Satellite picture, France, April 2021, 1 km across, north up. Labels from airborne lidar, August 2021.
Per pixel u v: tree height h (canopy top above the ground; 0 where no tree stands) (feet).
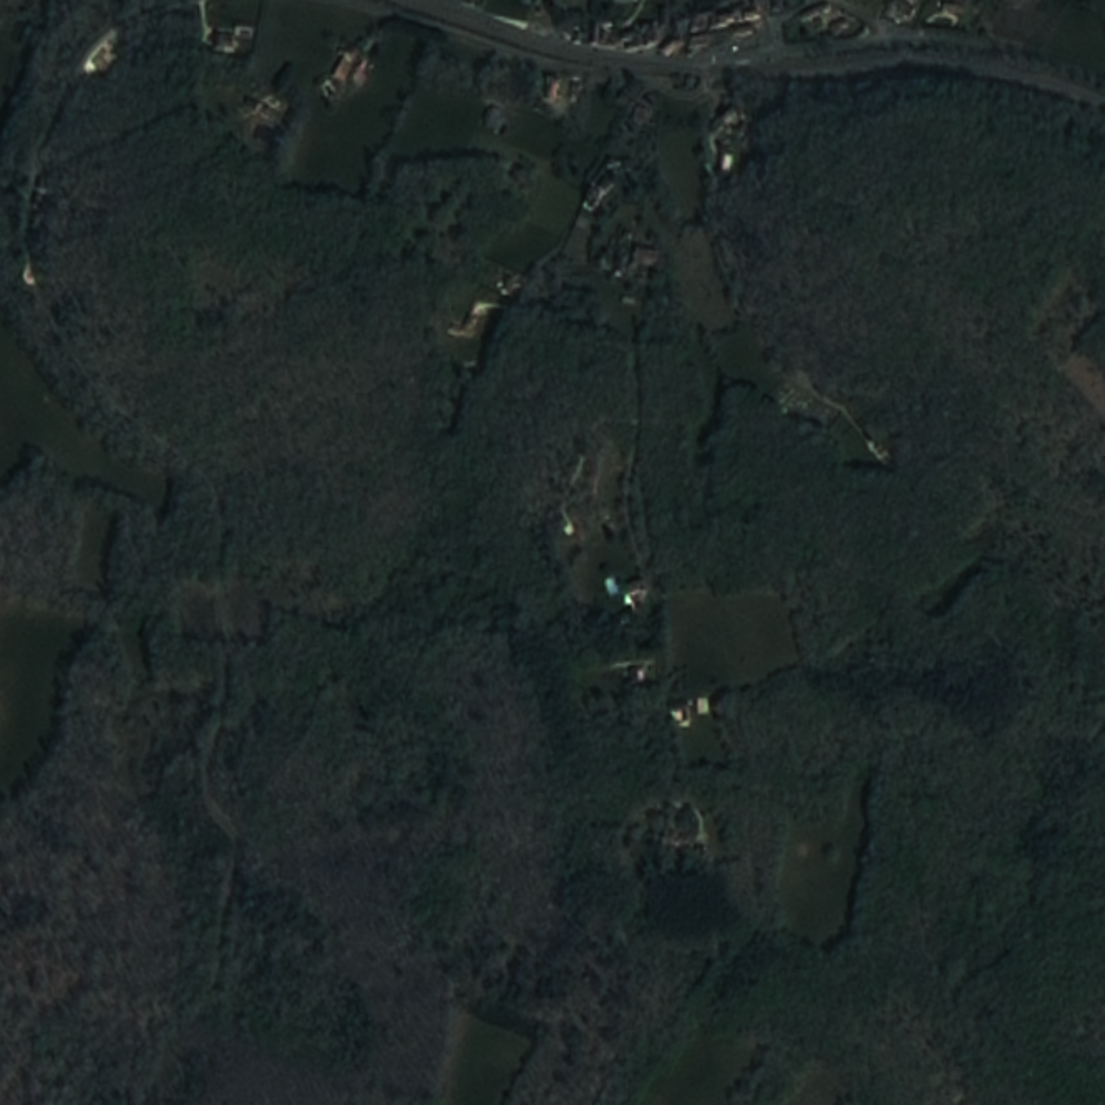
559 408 41
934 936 29
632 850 43
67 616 56
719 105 0
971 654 55
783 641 0
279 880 58
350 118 0
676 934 61
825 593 52
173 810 24
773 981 59
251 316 25
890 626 53
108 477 0
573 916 83
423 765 59
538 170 46
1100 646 38
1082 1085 55
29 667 0
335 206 79
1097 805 54
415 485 68
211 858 36
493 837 52
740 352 0
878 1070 37
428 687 77
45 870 40
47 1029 61
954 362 47
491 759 62
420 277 45
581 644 64
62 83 41
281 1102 53
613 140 18
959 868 62
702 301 0
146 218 46
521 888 50
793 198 29
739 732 43
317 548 48
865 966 63
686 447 59
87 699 76
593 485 33
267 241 57
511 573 63
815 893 0
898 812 54
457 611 40
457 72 57
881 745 69
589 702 56
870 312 50
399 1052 46
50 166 33
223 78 62
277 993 53
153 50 42
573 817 58
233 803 37
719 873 45
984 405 51
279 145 67
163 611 86
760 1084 41
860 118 54
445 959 59
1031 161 54
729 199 60
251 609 0
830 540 45
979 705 76
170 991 58
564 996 38
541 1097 25
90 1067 69
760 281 41
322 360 30
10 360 0
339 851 32
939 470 68
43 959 58
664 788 70
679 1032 66
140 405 53
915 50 31
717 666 0
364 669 60
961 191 53
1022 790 69
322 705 60
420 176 70
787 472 45
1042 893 82
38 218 35
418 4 0
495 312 0
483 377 55
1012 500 23
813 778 54
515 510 48
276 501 51
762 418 47
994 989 66
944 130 56
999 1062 53
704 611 0
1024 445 23
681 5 27
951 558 57
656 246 34
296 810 61
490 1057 0
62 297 28
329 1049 51
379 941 43
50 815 61
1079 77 48
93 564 0
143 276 49
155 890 55
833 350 38
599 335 51
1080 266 55
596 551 0
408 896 58
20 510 85
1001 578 68
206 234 56
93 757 70
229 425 57
